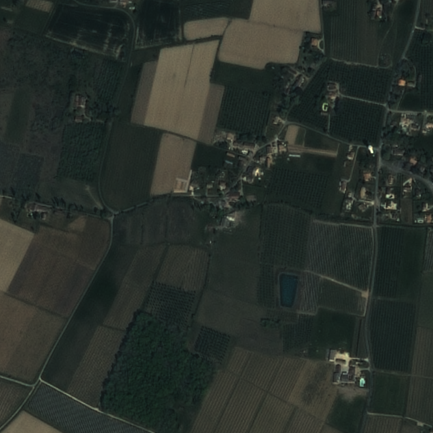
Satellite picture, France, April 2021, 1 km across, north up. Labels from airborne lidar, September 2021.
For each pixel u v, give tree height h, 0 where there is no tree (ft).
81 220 0
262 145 28
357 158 0
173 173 0
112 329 0
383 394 0
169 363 74
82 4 0
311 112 17
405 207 0
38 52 0
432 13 0
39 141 0
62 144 0
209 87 0
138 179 0
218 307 0
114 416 49
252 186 0
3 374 0
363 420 0
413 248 0
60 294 0
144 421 65
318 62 52
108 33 0
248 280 0
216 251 0
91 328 0
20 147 0
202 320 0
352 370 0
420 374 0
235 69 0
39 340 0
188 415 0
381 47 0
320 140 0
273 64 0
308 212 32
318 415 0
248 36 0
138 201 0
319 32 0
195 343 0
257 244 0
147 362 72
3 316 0
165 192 0
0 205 0
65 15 0
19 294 0
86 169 22
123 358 64
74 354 0
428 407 0
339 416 0
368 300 0
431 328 0
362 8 0
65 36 0
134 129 0
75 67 23
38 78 0
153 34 0
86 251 0
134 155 0
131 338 57
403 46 0
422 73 19
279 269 0
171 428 53
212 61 0
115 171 0
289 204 28
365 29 0
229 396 0
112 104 20
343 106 36
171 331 66
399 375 0
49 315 0
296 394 0
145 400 77
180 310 47
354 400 0
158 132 0
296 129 0
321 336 0
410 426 0
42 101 0
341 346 0
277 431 0
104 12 0
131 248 0
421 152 37
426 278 0
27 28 0
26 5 0
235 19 0
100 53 0
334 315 0
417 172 46
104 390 48
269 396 0
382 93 19
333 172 0
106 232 0
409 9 0
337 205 0
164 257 0
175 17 0
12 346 0
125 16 0
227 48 0
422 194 23
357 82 17
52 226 0
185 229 0
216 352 49
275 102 0
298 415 0
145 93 0
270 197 0
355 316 0
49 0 0
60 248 0
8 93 0
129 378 69
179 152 0
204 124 0
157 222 0
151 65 0
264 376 0
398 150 0
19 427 0
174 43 0
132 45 0
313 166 0
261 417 0
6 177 0
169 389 86
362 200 0
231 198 0
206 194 0
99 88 19
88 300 0
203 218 0
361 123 18
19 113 0
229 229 0
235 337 0
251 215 0
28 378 0
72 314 0
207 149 0
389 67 0
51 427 0
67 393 0
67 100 0
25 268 0
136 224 0
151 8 0
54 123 0
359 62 0
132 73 0
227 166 26
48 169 0
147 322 61
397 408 0
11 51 0
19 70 0
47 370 0
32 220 48
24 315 0
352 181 0
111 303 0
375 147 0
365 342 0
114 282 0
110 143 0
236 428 0
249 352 0
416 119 0
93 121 28
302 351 0
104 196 0
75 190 0
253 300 0
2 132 0
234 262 0
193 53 0
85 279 0
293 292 0
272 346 0
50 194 0
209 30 0
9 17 0
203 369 81
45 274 0
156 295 39
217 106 0
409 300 0
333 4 29
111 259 0
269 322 42
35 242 0
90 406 0
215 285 0
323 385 0
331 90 0
